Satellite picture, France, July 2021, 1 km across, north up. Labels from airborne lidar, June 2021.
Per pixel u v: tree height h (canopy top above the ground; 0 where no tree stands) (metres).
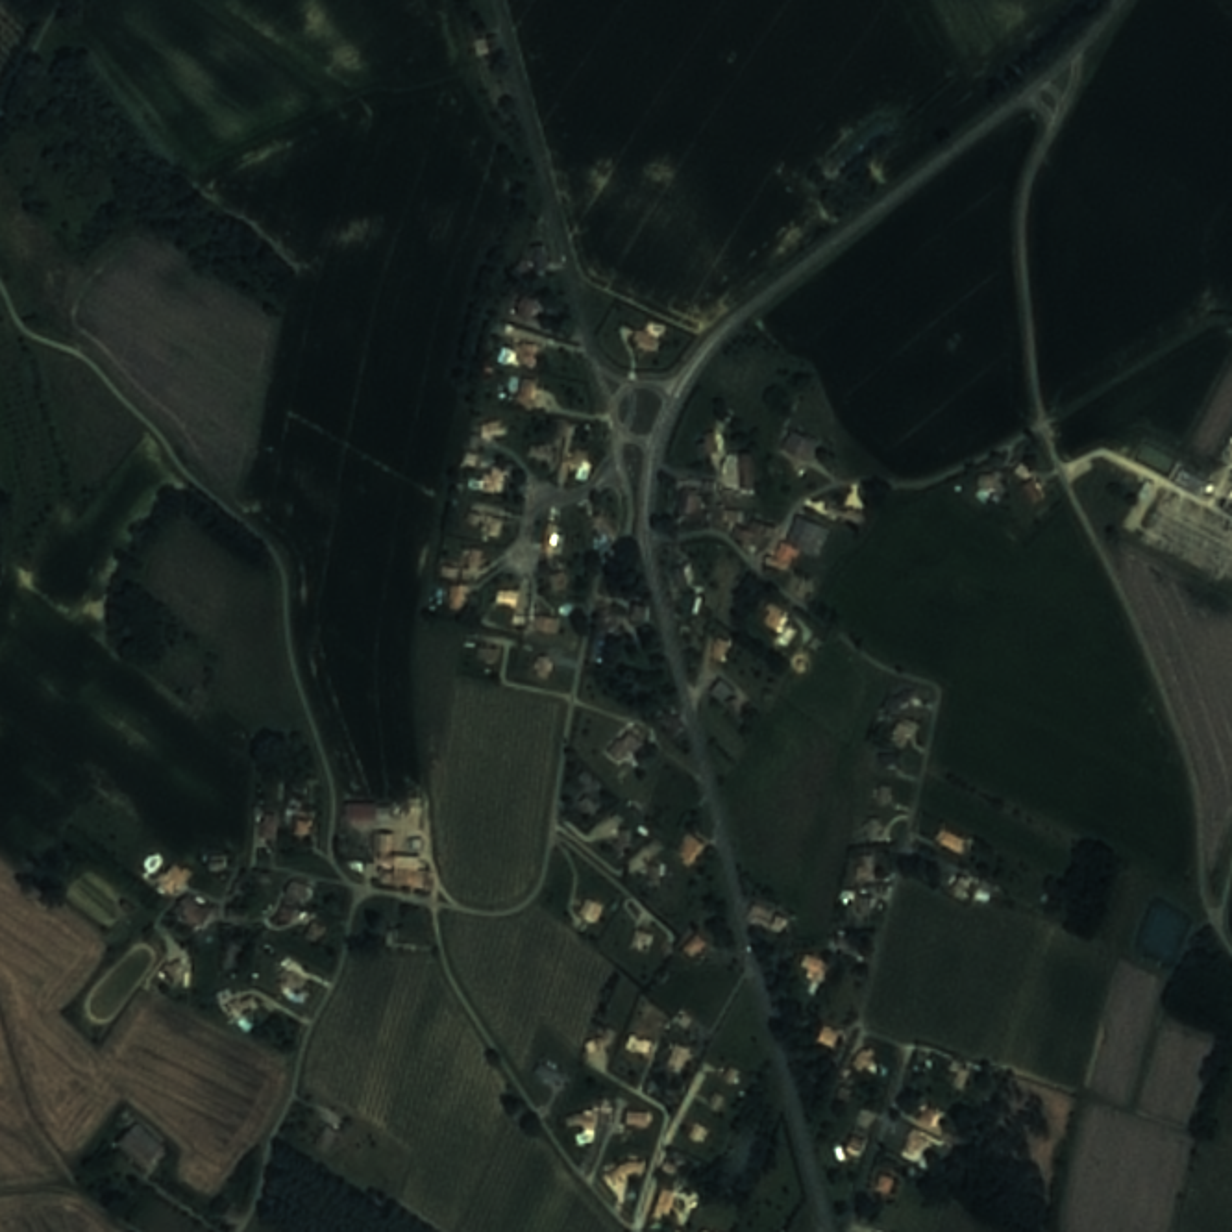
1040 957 0
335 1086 0
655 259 0
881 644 0
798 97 0
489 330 7
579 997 0
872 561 0
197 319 0
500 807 0
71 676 0
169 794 0
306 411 0
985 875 8
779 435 0
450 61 0
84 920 0
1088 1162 0
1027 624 0
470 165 0
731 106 0
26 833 0
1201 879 0
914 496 0
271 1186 16
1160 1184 0
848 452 0
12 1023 0
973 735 0
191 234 10
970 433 0
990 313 0
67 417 0
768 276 0
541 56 0
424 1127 0
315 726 0
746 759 0
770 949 14
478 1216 0
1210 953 14
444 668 0
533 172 8
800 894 0
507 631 0
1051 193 0
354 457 0
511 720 0
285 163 0
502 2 0
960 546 0
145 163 19
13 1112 0
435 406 0
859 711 0
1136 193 0
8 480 0
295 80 0
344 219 0
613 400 0
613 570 15
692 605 0
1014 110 0
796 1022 13
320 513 0
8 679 0
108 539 0
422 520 0
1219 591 0
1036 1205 17
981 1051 0
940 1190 14
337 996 0
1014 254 0
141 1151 0
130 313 0
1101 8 23
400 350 0
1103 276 0
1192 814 0
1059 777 0
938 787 0
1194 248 0
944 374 0
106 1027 0
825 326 0
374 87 0
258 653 0
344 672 0
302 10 0
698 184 0
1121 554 0
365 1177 0
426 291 0
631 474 0
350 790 0
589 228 0
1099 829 0
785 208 0
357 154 0
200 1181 0
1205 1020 11
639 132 0
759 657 9
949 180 0
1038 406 0
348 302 0
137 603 11
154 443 0
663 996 0
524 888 0
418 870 0
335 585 0
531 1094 0
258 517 0
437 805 0
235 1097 0
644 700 14
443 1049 0
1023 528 0
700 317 0
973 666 0
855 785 0
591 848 0
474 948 0
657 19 0
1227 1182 0
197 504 13
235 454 0
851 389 0
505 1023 0
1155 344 0
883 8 0
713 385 0
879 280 0
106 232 8
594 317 0
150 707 0
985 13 0
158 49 0
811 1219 0
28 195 7
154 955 0
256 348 0
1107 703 0
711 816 0
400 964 0
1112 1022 0
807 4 0
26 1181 0
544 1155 0
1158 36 0
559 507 0
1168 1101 0
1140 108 0
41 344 0
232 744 0
